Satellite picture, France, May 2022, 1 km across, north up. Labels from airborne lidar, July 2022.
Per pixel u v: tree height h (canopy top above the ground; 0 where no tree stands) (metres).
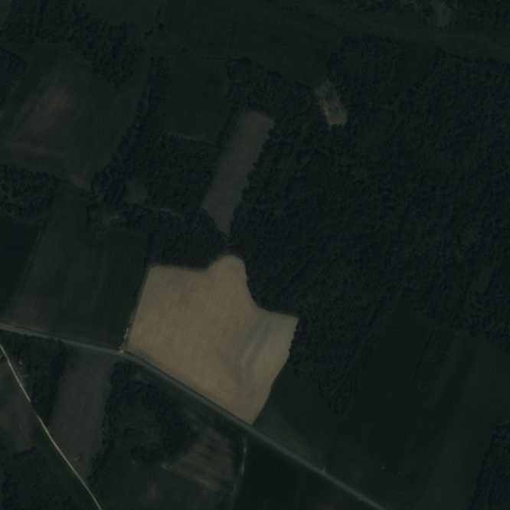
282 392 0
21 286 0
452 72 17
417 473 0
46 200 16
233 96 14
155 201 16
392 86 6
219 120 0
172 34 0
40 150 0
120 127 0
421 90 26
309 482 0
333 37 0
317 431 0
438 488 0
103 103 0
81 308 0
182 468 0
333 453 0
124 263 0
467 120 22
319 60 0
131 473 0
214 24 0
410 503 0
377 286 23
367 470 0
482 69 25
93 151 0
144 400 16
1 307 0
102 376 0
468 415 0
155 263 0
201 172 23
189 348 0
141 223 22
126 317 0
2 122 0
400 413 0
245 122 0
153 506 0
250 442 0
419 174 26
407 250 24
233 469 0
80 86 0
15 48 0
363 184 17
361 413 0
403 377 0
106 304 0
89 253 0
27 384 0
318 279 25
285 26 0
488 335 22
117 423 7
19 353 10
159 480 0
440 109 31
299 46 0
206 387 0
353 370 19
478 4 20
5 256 0
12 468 26
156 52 0
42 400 21
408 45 6
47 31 21
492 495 23
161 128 21
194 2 0
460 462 0
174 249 0
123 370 11
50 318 0
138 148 18
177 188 16
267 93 26
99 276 0
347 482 0
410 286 26
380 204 17
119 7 0
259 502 0
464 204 26
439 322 8
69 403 0
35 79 0
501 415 0
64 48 6
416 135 21
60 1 23
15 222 0
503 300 18
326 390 23
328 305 24
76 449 0
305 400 0
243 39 0
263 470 0
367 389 0
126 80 18
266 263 29
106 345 0
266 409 0
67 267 0
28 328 0
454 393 0
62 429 0
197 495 0
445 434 0
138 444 6
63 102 0
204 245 0
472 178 28
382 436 0
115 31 20
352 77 23
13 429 0
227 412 0
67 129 0
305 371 21
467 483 0
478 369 0
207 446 0
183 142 22
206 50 0
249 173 0
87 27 21
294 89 20
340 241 28
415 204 8
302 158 23
